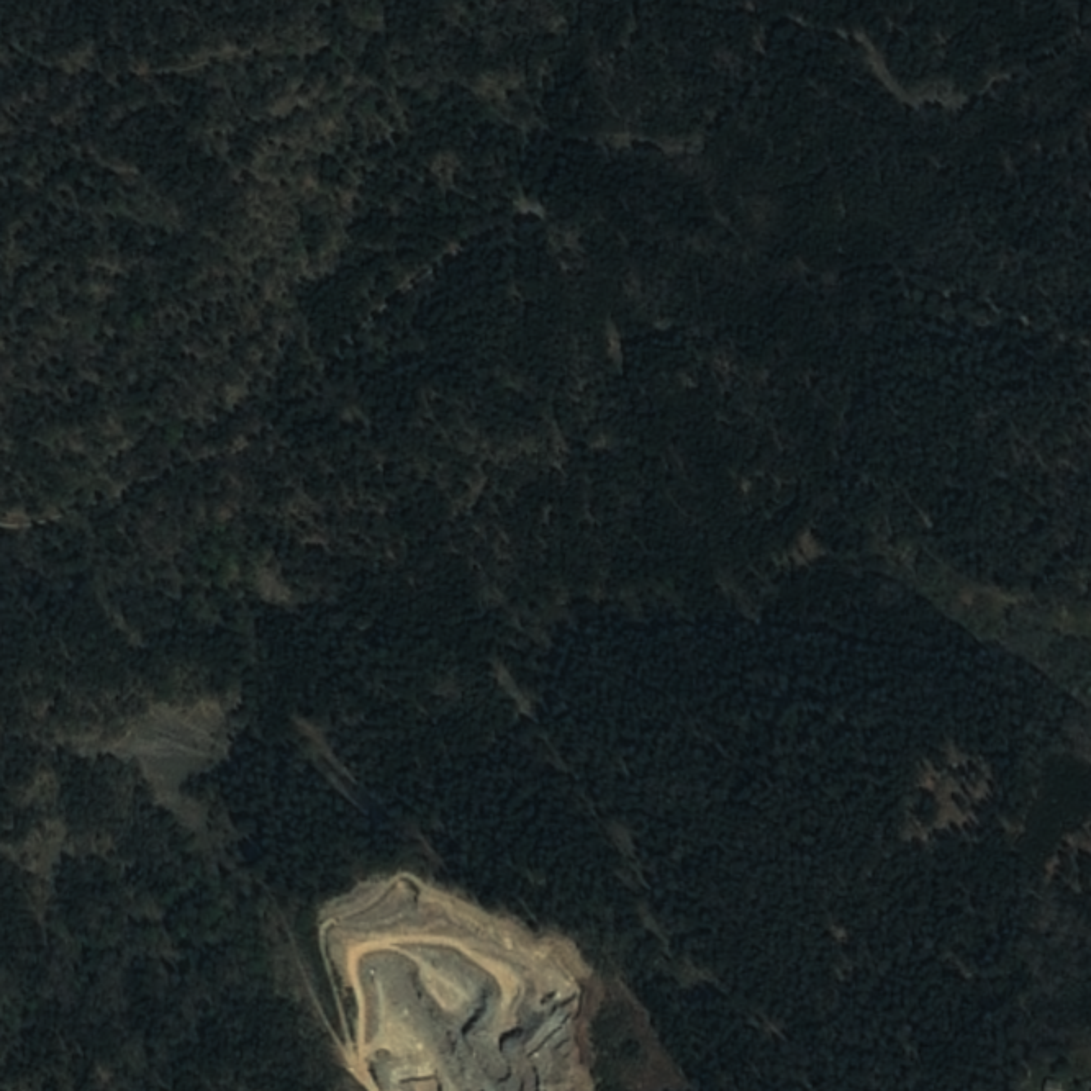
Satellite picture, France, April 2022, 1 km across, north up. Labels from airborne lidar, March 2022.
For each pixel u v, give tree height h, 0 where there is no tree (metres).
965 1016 24
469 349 13
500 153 28
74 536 27
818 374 20
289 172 31
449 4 25
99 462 21
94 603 27
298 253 14
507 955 0
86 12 18
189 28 10
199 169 20
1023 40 13
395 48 26
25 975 27
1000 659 25
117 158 22
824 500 22
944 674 32
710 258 19
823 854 21
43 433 18
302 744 16
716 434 21
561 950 0
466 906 0
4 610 26
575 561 22
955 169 15
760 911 19
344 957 0
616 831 0
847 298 25
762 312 23
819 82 30
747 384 18
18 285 21
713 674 25
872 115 26
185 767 0
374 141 9
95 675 18
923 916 34
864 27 12
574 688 27
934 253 16
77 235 14
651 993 15
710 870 30
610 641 27
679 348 23
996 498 30
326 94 13
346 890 13
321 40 16
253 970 16
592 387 11
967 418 25
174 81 13
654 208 20
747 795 22
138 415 16
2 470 14
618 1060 6
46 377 23
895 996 21
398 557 18
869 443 27
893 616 31
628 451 29
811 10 14
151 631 24
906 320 24
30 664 19
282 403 14
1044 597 33
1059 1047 17
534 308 14
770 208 19
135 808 22
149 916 22
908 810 31
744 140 14
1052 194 25
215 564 11
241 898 31
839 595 20
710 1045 24
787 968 20
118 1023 18
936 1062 32
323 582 25
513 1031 0
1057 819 8
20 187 25
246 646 28
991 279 24
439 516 14
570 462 17
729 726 17
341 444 20
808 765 19
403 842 19
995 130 17
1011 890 30
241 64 19
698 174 20
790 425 23
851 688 28
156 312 17
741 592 19
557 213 24
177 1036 24
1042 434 28
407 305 20
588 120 21
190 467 24
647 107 16
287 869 30
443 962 0
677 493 17
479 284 19
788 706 11
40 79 15
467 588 30
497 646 20
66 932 20
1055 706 10
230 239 21
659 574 25
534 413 34
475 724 22
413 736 23
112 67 26
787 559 23
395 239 20
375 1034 0
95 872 25
